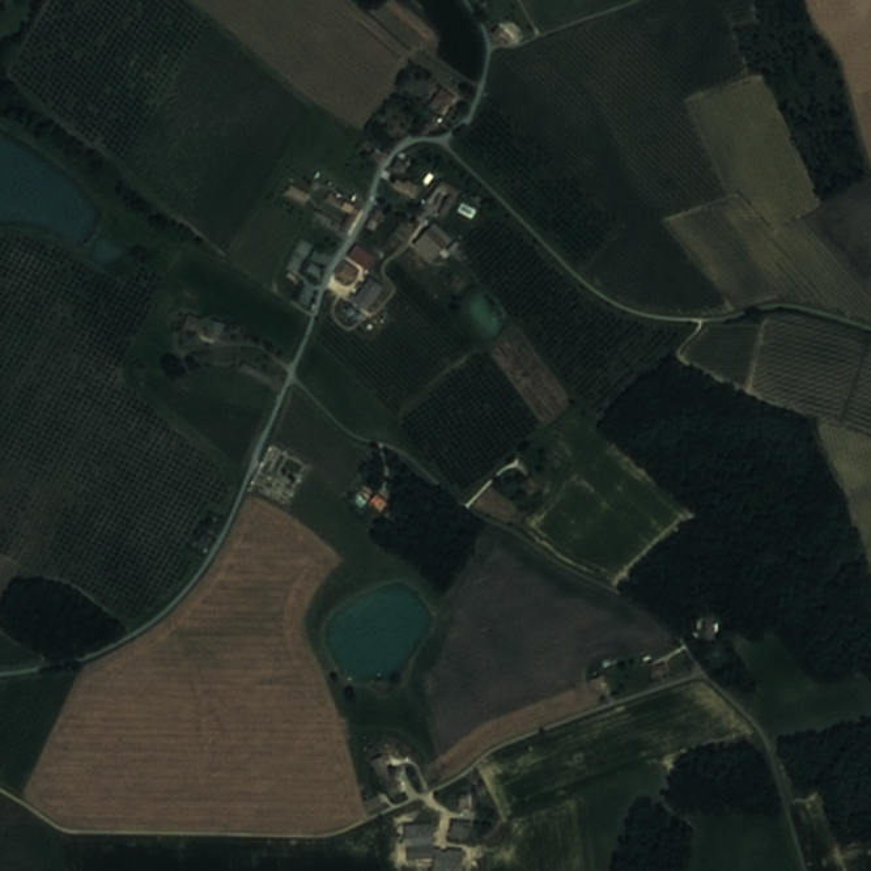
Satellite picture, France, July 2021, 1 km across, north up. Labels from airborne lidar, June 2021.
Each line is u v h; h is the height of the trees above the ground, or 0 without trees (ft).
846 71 0
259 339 20
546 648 0
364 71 0
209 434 0
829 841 0
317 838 0
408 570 0
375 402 0
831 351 0
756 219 0
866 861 0
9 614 59
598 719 0
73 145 53
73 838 0
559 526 0
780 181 0
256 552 0
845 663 59
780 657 0
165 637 0
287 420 0
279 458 0
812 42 54
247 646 0
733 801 82
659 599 56
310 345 0
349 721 0
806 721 0
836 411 0
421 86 0
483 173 0
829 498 57
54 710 0
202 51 0
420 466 0
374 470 50
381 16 0
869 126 0
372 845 0
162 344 0
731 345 0
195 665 0
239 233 0
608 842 0
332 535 0
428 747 0
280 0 0
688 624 54
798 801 0
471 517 57
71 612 51
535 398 0
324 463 0
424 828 0
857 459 0
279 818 0
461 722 0
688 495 44
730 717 0
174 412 0
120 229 0
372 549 0
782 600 71
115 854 0
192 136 0
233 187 0
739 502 48
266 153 0
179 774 0
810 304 0
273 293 0
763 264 0
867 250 0
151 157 0
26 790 0
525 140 18
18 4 28
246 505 0
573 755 0
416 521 52
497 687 0
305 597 0
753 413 49
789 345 0
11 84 52
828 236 0
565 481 0
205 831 0
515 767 0
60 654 45
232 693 0
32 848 0
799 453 51
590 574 0
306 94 0
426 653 0
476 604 0
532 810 0
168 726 0
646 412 48
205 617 0
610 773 0
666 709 0
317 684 0
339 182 0
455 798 0
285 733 0
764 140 0
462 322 0
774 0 22
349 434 0
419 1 0
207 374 0
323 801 0
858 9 0
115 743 0
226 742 0
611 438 42
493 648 0
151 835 0
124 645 0
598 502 0
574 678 0
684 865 84
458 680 0
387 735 0
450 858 0
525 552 0
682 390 39
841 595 52
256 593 0
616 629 0
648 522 0
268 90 0
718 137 0
